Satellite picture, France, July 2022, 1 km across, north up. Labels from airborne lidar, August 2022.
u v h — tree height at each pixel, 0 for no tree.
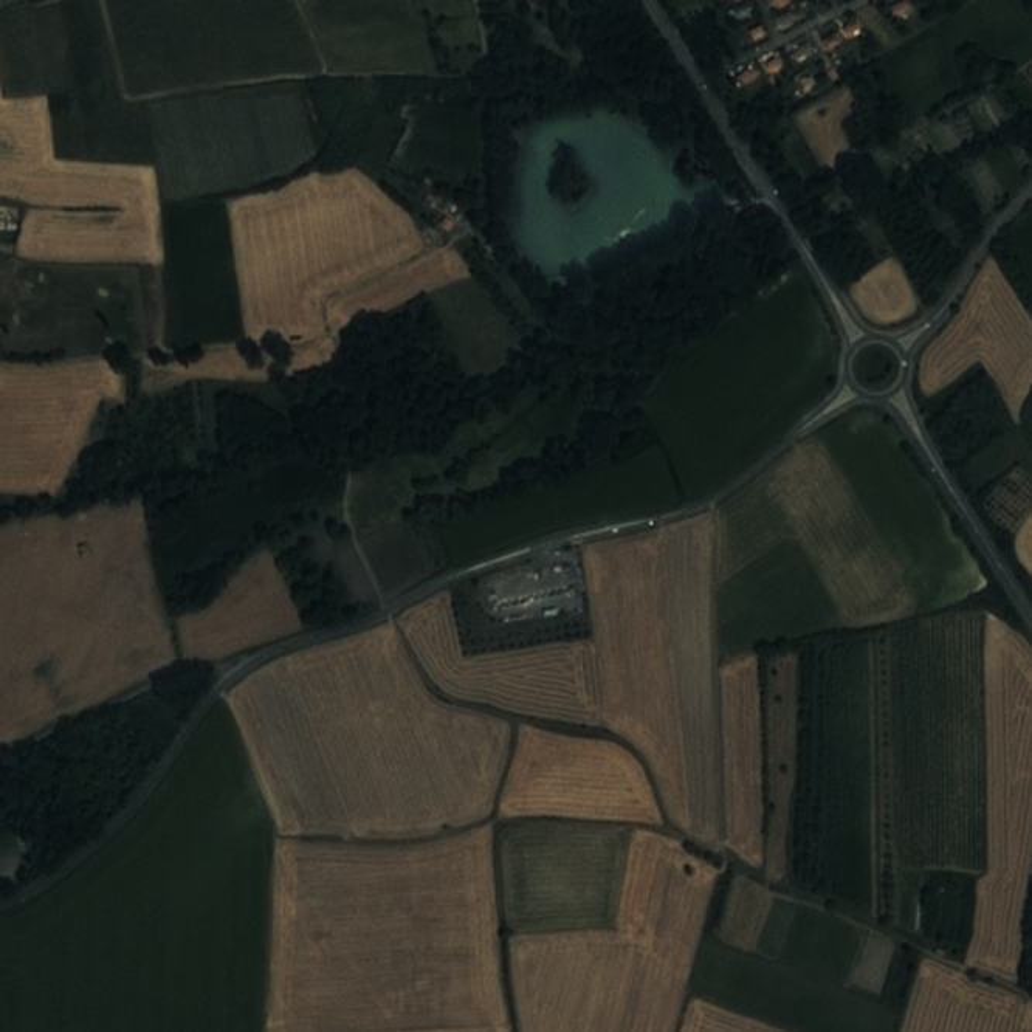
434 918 0
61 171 0
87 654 0
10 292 0
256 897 0
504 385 24
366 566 0
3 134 0
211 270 0
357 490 0
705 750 0
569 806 0
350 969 0
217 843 0
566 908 0
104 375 0
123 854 0
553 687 0
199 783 0
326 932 0
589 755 0
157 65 0
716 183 18
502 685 0
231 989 0
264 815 0
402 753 0
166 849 0
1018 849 0
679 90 31
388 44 0
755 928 0
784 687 0
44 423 0
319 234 0
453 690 0
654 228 0
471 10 0
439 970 0
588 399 16
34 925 0
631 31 18
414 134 0
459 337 0
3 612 0
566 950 0
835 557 0
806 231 20
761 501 0
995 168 0
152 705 0
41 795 10
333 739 0
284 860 0
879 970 0
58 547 0
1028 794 0
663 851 0
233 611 0
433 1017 0
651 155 0
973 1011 0
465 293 0
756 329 0
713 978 0
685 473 0
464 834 0
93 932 0
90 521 0
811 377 0
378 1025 0
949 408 8
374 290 0
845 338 0
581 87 33
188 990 0
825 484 0
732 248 39
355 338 15
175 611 11
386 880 0
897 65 0
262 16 0
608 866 0
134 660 0
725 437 0
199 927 0
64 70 0
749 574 0
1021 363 0
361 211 0
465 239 0
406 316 11
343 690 0
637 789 0
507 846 0
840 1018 0
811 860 9
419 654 0
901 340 0
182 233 0
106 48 0
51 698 0
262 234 0
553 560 0
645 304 25
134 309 0
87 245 0
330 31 0
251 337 0
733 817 0
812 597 0
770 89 6
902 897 0
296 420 19
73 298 0
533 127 0
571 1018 0
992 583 7
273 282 0
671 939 0
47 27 0
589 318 34
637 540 0
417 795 0
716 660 0
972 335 0
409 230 0
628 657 0
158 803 0
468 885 0
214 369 0
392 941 0
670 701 0
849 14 11
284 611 0
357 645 0
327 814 0
